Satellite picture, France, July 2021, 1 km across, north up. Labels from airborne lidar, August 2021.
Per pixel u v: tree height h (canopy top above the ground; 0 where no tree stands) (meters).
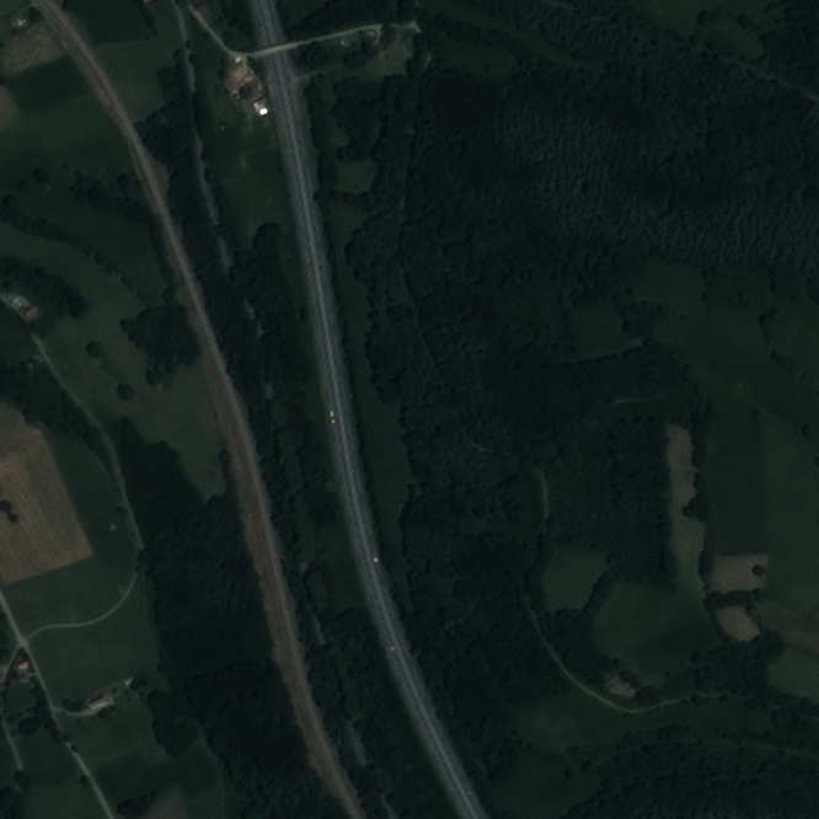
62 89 0
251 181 0
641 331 23
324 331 0
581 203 23
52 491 0
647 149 21
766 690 24
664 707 7
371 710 13
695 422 16
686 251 25
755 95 24
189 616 20
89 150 0
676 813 18
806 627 0
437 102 28
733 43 0
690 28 0
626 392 23
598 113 25
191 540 18
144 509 15
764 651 21
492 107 28
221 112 0
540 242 13
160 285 0
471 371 24
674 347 8
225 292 19
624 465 28
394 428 0
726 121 16
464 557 22
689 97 21
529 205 24
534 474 6
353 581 0
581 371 22
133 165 0
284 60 0
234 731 32
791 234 27
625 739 9
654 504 24
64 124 0
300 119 0
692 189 28
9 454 0
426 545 22
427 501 29
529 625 12
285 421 33
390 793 28
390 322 22
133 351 0
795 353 0
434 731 0
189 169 21
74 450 0
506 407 25
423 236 20
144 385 0
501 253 10
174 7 0
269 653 17
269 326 22
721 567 0
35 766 0
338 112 14
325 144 20
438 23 12
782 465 0
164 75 9
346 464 0
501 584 20
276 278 30
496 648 21
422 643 18
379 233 22
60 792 0
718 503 0
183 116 27
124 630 0
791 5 21
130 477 11
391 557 16
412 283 25
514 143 16
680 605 0
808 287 18
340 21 15
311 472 23
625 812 26
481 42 17
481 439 19
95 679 0
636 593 0
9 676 5
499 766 17
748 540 0
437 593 26
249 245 0
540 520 9
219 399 0
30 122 0
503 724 25
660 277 0
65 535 0
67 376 0
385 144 26
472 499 31
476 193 19
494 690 21
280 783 29
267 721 30
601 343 0
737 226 25
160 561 21
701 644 0
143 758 0
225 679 32
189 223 20
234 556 21
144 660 0
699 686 19
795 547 0
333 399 0
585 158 24
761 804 17
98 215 0
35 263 0
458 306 28
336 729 25
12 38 0
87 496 0
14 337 0
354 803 0
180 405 0
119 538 0
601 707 0
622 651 0
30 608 0
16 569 0
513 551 24
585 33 24
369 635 16
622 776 12
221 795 0
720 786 28
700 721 0
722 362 0
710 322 0
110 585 0
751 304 8
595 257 16
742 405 0
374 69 0
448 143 24
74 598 0
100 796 0
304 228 0
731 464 0
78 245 11
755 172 23
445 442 22
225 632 18
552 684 6
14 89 0
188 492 12
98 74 0
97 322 0
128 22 0
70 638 0
